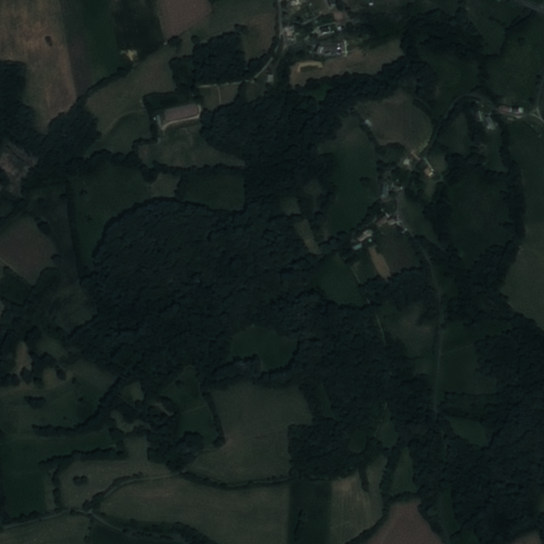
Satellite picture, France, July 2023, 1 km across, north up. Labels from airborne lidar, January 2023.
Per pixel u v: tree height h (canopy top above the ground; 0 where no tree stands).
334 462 15
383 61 0
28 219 0
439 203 13
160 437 12
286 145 5
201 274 21
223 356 15
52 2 0
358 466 12
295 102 20
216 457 0
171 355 13
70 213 12
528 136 0
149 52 0
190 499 0
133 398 0
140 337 24
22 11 0
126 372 13
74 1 0
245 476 0
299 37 0
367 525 0
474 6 0
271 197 11
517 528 23
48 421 0
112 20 0
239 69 19
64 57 0
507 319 17
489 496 19
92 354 19
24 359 0
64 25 0
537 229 0
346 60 0
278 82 7
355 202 0
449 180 8
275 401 0
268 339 0
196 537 14
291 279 32
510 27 7
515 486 15
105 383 0
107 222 0
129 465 0
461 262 22
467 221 0
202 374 18
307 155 8
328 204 11
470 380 0
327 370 25
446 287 0
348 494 0
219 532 0
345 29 13
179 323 13
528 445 29
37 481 0
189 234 33
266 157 18
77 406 0
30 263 0
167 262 25
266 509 0
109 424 15
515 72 0
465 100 6
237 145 16
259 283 29
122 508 0
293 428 8
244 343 0
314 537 0
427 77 23
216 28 0
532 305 0
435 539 0
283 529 0
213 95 0
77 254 10
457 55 6
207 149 0
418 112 0
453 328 0
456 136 0
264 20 0
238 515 0
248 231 26
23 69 15
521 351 13
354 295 0
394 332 0
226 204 0
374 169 0
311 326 29
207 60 18
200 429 0
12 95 17
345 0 7
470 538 0
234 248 38
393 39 0
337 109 14
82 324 0
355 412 19
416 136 0
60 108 0
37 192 0
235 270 31
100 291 18
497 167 0
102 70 0
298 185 15
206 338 9
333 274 0
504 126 7
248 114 18
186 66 0
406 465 0
